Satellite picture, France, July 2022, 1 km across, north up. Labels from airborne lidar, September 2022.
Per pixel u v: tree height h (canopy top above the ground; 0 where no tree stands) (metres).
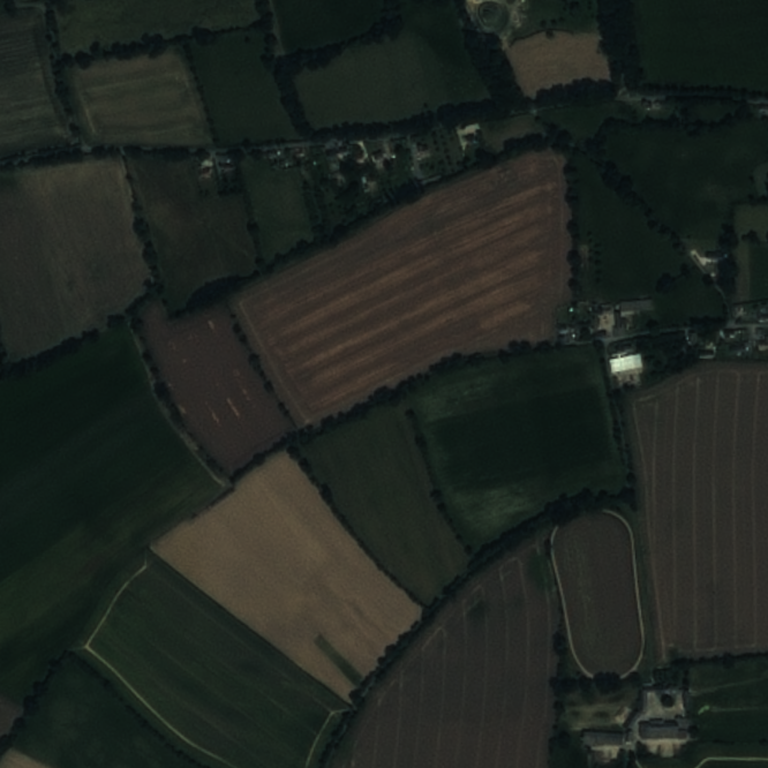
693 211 0
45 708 0
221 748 0
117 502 0
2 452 0
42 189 0
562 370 0
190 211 0
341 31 0
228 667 0
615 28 27
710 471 0
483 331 0
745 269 0
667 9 0
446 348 0
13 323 0
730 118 13
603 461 0
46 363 18
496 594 0
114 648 0
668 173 0
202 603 0
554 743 8
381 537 0
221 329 0
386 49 0
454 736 0
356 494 0
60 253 0
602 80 0
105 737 0
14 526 0
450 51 0
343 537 0
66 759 0
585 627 0
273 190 0
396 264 0
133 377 0
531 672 0
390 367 0
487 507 0
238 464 0
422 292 0
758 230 0
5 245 0
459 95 0
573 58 0
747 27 0
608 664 0
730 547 0
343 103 0
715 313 0
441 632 0
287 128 0
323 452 0
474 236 0
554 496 0
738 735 0
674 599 0
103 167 0
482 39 29
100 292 0
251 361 12
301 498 0
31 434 0
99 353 0
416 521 0
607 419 0
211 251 0
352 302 0
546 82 0
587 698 0
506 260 0
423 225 0
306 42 0
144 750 0
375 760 0
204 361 0
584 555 0
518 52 0
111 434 0
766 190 0
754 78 0
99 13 0
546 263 0
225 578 0
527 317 0
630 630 0
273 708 0
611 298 0
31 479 0
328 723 0
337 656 0
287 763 0
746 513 0
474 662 0
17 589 0
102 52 12
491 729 0
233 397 0
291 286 0
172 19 0
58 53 6
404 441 0
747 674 0
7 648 0
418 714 0
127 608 0
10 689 0
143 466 0
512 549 11
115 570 0
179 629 0
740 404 0
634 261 0
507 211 0
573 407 0
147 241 8
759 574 0
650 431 0
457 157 0
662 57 0
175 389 0
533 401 0
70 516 0
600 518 0
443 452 0
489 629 0
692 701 0
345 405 0
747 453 0
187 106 0
